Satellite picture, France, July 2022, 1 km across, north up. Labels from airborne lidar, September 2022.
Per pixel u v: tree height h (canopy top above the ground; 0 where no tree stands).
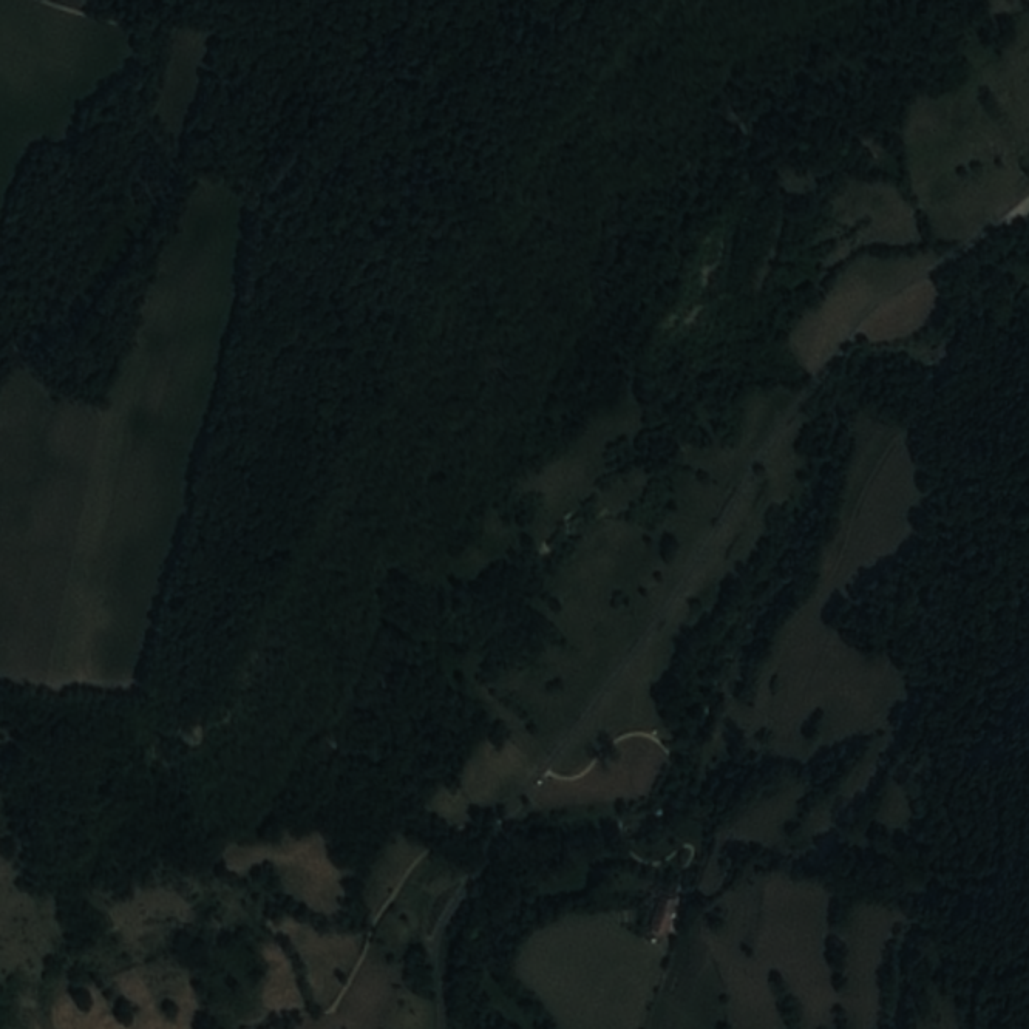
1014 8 0
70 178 12
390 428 22
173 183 22
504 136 17
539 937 0
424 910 0
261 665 9
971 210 0
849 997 0
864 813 20
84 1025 0
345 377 21
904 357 16
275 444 20
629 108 22
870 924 0
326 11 19
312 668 23
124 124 18
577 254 24
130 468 0
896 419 14
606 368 18
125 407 0
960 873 22
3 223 9
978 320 22
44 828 24
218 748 19
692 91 22
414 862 0
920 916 20
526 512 18
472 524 19
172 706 9
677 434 11
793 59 8
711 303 7
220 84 24
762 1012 0
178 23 17
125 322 20
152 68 18
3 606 0
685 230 15
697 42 23
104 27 0
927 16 15
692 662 17
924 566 20
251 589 14
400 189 21
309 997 11
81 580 0
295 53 22
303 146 25
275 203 13
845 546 0
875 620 29
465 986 27
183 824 13
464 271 21
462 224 8
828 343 0
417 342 19
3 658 0
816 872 23
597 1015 0
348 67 15
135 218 0
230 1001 0
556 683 10
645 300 19
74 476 0
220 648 15
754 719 0
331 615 23
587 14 19
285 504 20
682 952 0
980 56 0
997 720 28
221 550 19
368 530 21
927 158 0
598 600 0
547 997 0
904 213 0
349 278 18
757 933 0
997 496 24
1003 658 31
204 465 19
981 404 15
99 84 0
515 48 23
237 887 13
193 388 0
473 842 19
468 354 26
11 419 0
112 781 24
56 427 0
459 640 16
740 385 18
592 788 0
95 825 20
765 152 10
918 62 23
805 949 0
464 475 21
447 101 21
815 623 0
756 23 47
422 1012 0
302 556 17
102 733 21
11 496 0
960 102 0
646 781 0
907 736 17
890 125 12
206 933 7
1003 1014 24
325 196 23
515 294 22
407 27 21
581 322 29
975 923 24
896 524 0
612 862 12
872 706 0
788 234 14
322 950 0
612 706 0
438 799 0
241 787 16
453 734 17
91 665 0
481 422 23
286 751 50
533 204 20
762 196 24
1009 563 19
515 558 21
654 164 29
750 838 0
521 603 19
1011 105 0
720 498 0
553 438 12
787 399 0
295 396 23
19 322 18
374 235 19
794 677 0
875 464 0
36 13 0
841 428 24
